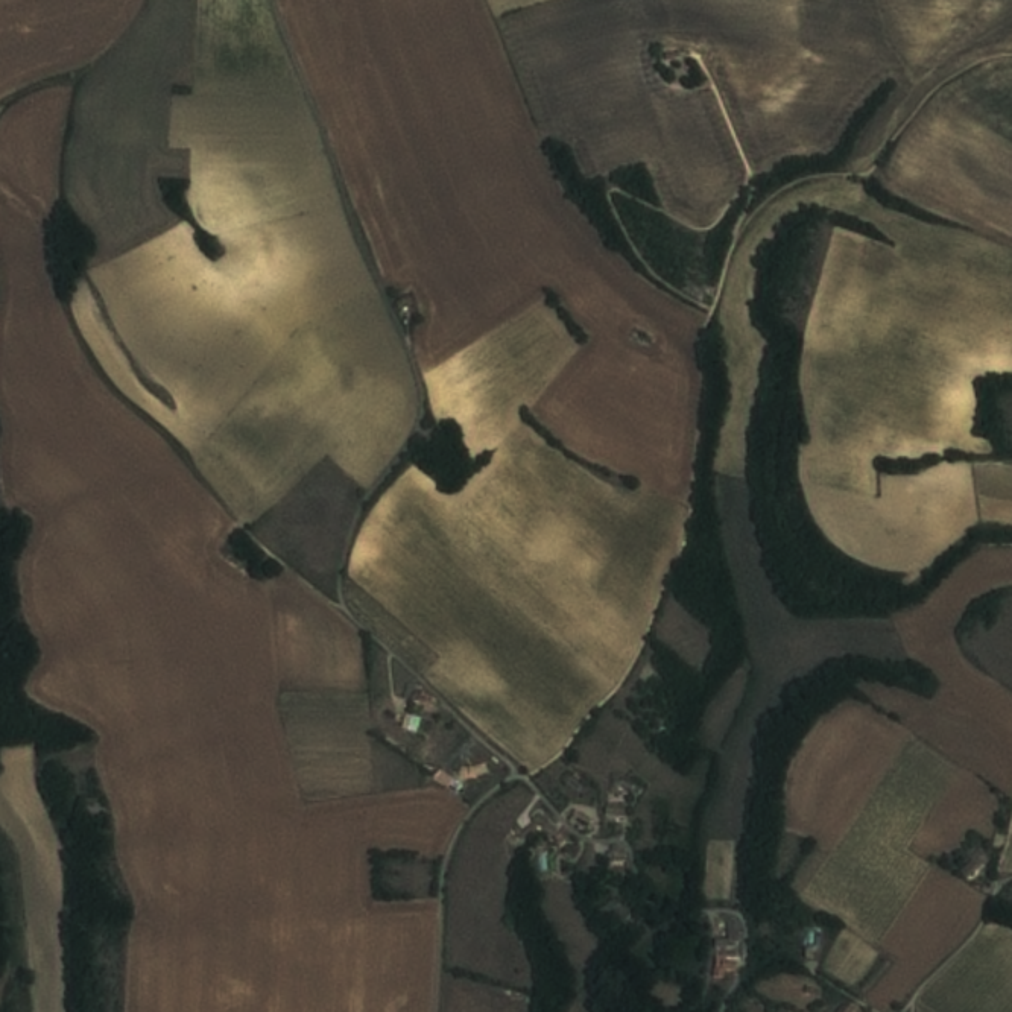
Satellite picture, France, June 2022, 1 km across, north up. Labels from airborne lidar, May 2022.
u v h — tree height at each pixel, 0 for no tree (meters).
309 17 0
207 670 0
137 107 0
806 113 0
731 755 0
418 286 0
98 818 8
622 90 0
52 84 0
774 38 0
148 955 0
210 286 0
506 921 7
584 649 0
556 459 0
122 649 0
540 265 0
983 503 0
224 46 0
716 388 14
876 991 0
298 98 0
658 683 10
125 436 0
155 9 0
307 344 0
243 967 0
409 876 0
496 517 0
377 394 0
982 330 0
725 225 7
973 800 0
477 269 0
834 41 0
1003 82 0
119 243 0
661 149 0
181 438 0
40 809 0
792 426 10
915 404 0
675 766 8
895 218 0
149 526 0
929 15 0
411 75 0
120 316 0
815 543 10
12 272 0
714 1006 8
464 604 0
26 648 14
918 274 0
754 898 14
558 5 0
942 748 0
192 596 0
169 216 0
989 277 0
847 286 0
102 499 0
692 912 17
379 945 0
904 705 0
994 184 0
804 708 17
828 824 0
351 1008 0
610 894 13
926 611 0
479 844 0
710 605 15
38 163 0
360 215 0
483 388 0
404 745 0
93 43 0
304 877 0
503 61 0
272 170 0
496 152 0
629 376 0
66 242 20
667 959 18
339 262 0
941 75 0
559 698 0
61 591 0
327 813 0
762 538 16
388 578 0
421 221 0
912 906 0
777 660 0
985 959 0
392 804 0
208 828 0
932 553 0
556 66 0
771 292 10
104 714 0
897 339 0
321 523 0
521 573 0
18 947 0
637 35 0
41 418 0
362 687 0
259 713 0
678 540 0
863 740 0
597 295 0
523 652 0
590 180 6
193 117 0
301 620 0
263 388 0
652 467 0
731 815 0
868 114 14
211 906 0
